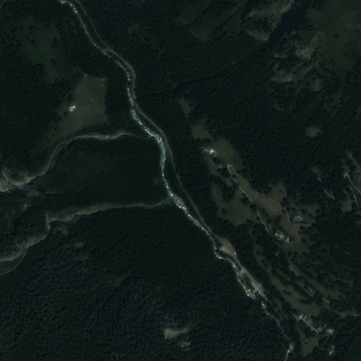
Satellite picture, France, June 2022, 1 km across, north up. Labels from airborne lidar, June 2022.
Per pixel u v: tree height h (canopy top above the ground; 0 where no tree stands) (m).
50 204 12
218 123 20
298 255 17
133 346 34
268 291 9
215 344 28
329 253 17
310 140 15
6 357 13
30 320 34
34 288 12
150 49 16
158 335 26
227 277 15
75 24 10
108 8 18
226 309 8
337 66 0
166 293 11
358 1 0
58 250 22
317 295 15
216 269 10
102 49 12
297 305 0
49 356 17
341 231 20
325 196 17
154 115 16
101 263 19
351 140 27
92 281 22
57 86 19
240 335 35
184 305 17
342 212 16
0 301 10
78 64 16
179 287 19
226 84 18
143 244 22
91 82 0
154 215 17
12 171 7
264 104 24
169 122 13
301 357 18
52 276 24
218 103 19
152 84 19
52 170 7
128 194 12
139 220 19
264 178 19
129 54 16
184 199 10
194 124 18
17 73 14
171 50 15
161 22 19
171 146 14
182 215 11
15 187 0
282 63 15
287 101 17
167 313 17
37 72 15
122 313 33
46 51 0
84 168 0
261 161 17
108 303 26
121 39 21
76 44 18
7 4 17
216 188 0
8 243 24
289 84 9
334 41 0
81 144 12
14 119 20
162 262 19
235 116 24
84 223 10
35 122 13
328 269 21
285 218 0
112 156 12
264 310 6
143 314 16
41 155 9
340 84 10
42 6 14
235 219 0
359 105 19
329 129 17
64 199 12
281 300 11
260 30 13
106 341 24
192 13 0
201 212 19
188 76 25
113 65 23
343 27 0
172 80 20
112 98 17
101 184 10
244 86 22
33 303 20
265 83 17
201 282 20
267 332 27
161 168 13
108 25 20
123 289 19
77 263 15
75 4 14
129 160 11
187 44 9
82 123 0
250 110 20
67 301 17
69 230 11
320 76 14
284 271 20
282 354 8
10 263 6
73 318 16
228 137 21
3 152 13
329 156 23
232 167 0
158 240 22
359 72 13
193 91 22
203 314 20
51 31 0
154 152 13
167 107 18
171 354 19
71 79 0
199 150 10
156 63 15
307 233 23
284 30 49
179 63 23
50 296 25
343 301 15
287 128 24
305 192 25
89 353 21
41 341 17
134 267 18
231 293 18
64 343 18
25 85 11
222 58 23
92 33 17
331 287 18
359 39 0
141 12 14
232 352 24
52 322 13
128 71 12
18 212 15
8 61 14
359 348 0
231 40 18
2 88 18
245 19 10
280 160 20
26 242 14
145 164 15
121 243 23
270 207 0
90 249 21
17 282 8
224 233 16
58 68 0
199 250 18
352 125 22
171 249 19
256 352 18
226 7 17
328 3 0
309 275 19
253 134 16
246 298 8
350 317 17
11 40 6
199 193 12
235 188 17
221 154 0
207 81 17
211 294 33
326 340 11
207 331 15
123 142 13
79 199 16
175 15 13
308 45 0
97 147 12
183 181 25
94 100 0
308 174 23
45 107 20
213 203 16
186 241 21
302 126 15
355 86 11
